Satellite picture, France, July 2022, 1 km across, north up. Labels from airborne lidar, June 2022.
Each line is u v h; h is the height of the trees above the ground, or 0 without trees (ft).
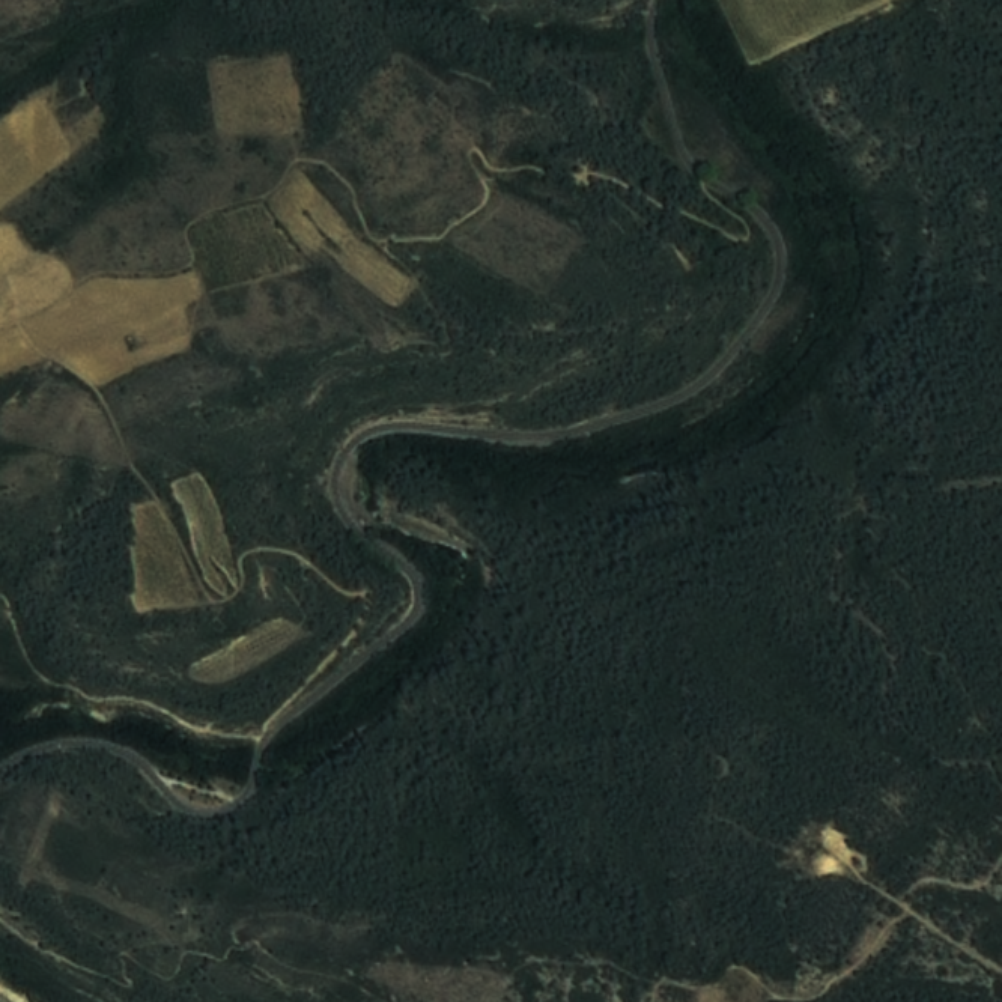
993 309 26
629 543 40
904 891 28
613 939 36
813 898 26
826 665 35
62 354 0
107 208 0
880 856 29
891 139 30
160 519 0
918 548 33
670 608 31
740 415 28
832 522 37
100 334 0
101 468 0
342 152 0
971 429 34
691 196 50
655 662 28
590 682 31
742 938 27
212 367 0
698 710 32
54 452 0
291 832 28
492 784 33
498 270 0
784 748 28
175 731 32
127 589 21
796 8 0
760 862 33
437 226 0
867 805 28
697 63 19
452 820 33
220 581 0
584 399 39
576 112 34
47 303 0
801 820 34
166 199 0
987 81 24
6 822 0
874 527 41
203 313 0
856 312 20
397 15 37
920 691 35
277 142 0
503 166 0
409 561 19
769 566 19
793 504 31
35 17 0
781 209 27
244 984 0
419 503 28
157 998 32
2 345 0
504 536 22
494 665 53
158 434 0
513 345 33
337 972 0
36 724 40
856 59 20
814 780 36
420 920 29
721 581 26
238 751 42
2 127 0
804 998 0
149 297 0
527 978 0
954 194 32
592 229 24
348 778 41
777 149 58
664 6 33
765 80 26
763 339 0
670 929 26
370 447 35
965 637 31
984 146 47
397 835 23
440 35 49
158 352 0
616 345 44
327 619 39
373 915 19
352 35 37
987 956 0
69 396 0
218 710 29
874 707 49
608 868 33
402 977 0
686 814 30
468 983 0
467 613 26
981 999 26
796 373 38
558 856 46
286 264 0
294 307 0
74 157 0
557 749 37
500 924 27
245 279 0
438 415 0
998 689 26
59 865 0
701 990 0
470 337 29
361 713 23
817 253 18
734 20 0
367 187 0
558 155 52
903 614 23
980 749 33
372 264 0
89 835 0
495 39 51
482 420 0
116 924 0
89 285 0
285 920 0
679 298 29
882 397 48
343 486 0
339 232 0
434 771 39
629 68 21
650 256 21
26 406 0
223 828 33
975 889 0
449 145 0
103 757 31
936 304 39
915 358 33
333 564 25
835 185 21
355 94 33
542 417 25
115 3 36
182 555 0
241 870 52
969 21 26
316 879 33
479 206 0
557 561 28
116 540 36
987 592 26
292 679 28
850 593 23
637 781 38
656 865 0
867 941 0
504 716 41
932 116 30
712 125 0
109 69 25
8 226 0
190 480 0
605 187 38
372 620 53
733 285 33
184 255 0
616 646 37
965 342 35
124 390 28
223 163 0
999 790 25
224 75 0
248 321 0
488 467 28
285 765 45
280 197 0
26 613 43
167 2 24
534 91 39
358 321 0
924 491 38
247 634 28
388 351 0
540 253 0
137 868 0
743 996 0
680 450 36
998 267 17
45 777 31
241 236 0
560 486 35
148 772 0
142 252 0
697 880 22
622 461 40
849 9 0
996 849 0
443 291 25
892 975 26
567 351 40
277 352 0
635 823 29
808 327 33
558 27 28
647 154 72
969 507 45
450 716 27
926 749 54
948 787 26
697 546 35
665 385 25
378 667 27
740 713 30
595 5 27
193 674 0
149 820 42
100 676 25
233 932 0
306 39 26
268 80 0
